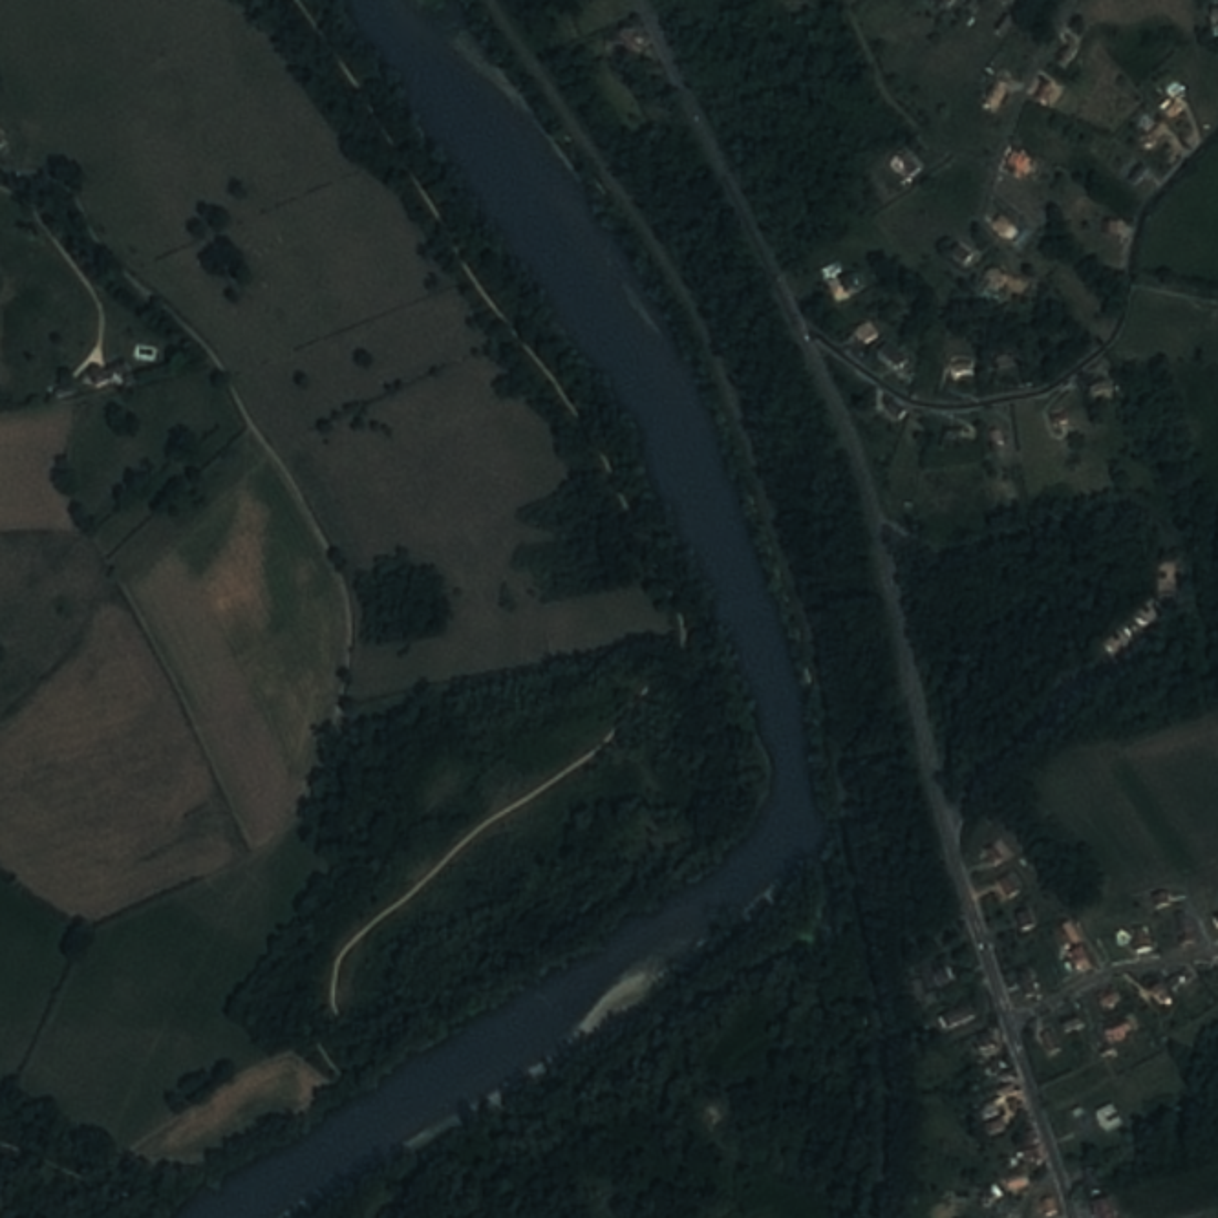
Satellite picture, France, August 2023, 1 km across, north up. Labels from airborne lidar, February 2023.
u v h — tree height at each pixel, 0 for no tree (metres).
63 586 0
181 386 0
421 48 0
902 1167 12
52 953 0
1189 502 26
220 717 0
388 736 13
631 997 0
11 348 0
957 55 0
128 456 0
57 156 0
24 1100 19
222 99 0
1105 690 27
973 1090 8
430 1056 0
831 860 10
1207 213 0
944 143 0
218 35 0
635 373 0
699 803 9
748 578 0
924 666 14
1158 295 0
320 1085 0
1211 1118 24
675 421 0
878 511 0
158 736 0
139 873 0
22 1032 0
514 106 0
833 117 15
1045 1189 0
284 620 0
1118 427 0
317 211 0
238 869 0
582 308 0
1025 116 0
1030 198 0
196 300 0
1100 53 0
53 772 0
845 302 0
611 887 16
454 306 0
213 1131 0
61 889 0
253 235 0
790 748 0
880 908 22
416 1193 25
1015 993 0
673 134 12
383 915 0
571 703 15
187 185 0
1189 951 0
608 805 11
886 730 21
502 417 0
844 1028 14
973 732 20
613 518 16
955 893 15
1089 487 0
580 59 12
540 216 0
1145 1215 0
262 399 0
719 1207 20
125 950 0
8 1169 15
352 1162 0
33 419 0
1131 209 0
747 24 11
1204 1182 0
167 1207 13
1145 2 0
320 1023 10
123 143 0
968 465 0
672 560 12
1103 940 0
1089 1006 0
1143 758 0
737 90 12
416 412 0
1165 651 17
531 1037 0
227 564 0
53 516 0
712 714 19
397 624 6
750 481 12
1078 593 29
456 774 0
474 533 0
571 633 0
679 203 17
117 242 0
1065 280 0
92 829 0
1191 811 0
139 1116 0
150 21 0
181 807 0
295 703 0
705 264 18
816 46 15
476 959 15
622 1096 26
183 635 0
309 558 0
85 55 0
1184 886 0
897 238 0
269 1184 0
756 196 16
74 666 0
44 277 0
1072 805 0
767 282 18
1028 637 25
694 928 0
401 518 0
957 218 0
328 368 0
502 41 18
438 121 0
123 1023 0
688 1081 21
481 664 0
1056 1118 0
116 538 0
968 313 16
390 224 0
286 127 0
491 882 8
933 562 20
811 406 9
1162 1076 0
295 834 0
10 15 0
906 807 23
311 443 0
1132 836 0
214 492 0
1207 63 0
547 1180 6
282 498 0
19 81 0
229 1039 0
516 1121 16
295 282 0
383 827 12
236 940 0
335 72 12
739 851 0
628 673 13
